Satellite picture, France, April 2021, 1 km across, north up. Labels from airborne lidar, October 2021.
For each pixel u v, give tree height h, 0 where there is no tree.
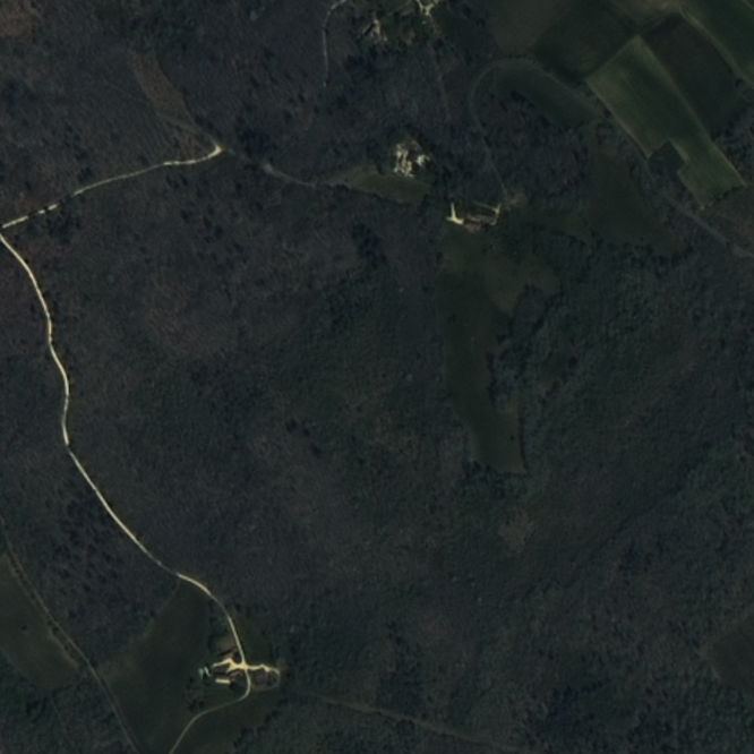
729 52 0
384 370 10
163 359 10
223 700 0
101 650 15
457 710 15
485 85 9
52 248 8
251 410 15
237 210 19
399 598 11
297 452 13
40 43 17
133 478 15
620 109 0
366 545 14
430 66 21
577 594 13
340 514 16
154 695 0
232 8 20
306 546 16
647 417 10
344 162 20
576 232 0
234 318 10
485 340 0
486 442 0
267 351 9
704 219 8
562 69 0
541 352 20
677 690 13
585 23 0
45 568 15
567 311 16
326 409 8
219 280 17
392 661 9
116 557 14
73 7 19
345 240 13
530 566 8
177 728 0
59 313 15
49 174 13
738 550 10
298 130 18
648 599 10
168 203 15
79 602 15
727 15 0
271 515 14
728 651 0
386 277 14
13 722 20
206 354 12
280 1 10
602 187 0
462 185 15
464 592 15
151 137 16
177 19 14
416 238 20
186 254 12
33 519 14
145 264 8
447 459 21
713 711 10
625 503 12
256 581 18
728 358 9
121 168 17
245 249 10
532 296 15
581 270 15
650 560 9
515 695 14
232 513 14
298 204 16
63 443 11
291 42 14
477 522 17
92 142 13
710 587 10
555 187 10
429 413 12
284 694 9
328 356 8
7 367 10
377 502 9
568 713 17
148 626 17
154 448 12
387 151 12
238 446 12
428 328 20
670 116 0
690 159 0
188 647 0
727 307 18
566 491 17
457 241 0
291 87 17
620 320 11
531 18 0
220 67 23
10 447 10
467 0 18
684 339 9
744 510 15
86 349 9
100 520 11
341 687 14
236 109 14
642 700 7
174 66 15
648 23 0
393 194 0
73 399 10
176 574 14
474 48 9
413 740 8
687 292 18
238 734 0
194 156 10
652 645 12
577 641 12
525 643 16
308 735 15
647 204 18
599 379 21
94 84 17
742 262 8
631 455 18
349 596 16
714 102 0
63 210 17
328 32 13
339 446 10
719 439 11
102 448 15
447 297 0
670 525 13
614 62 0
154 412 13
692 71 0
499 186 21
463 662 20
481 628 15
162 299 13
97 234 7
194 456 15
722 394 12
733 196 7
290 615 21
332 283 13
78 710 11
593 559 8
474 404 0
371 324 13
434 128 22
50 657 0
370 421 8
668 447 13
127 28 19
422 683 12
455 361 0
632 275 18
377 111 19
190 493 16
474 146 22
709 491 16
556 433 19
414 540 11
